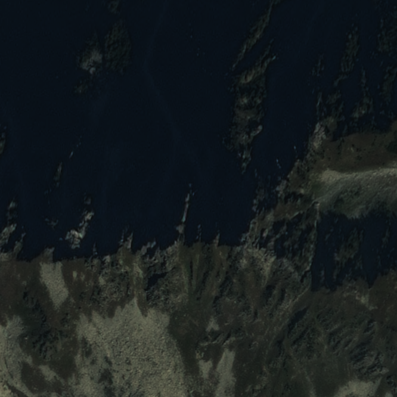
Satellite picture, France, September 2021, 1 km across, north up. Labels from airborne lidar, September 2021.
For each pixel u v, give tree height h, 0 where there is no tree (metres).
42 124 7
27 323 0
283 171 0
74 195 0
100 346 0
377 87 16
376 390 0
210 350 0
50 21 8
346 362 0
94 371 0
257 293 0
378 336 0
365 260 0
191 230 0
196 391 0
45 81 18
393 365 0
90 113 0
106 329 0
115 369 0
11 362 0
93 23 6
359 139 0
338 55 16
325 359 0
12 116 0
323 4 0
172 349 0
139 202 0
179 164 11
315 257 0
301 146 12
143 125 14
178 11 12
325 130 6
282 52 6
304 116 6
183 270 0
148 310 0
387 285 0
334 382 0
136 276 0
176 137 0
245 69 13
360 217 0
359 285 0
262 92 7
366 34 20
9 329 0
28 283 0
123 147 0
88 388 0
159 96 0
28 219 0
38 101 9
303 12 8
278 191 0
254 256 0
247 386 0
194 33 8
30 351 0
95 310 0
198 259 0
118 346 0
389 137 0
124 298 0
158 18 0
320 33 12
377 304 0
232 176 0
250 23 11
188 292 0
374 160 0
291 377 0
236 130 0
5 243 0
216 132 13
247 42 11
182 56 6
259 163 0
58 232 0
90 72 0
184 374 0
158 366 0
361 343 0
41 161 22
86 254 0
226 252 0
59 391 0
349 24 12
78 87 15
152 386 0
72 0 6
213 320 0
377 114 0
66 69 8
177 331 0
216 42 11
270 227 0
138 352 0
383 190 0
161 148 14
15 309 0
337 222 8
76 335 0
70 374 0
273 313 0
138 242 0
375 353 0
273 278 0
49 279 0
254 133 7
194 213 0
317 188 0
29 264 0
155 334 0
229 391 0
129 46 7
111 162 0
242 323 0
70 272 0
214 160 0
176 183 0
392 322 0
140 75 6
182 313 0
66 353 0
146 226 0
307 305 0
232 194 0
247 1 15
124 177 7
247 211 0
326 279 0
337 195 0
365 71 15
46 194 8
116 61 6
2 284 0
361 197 0
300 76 9
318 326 0
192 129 6
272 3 12
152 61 7
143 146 0
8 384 0
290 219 0
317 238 0
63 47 6
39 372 0
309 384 0
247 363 0
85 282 0
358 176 0
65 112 6
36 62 10
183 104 9
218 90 18
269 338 0
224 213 0
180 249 0
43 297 0
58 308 0
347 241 9
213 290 0
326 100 10
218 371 0
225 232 0
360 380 0
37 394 0
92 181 0
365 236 0
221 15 7
